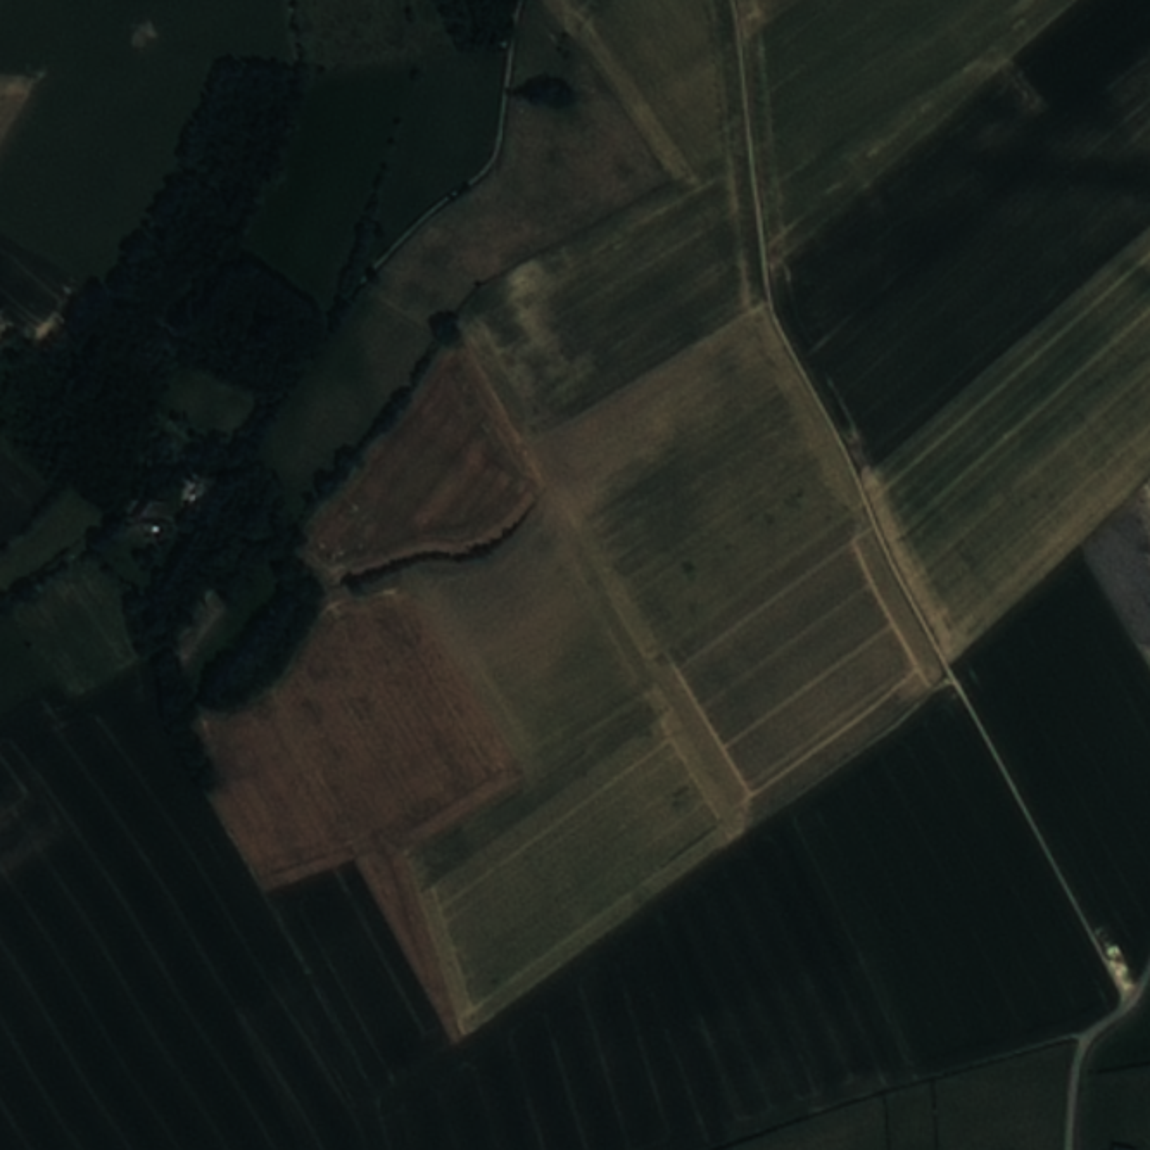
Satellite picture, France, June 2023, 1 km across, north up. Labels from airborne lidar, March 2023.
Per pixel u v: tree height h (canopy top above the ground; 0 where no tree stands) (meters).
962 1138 0
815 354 0
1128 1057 0
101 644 0
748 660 0
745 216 0
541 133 0
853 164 0
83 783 0
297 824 0
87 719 0
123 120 0
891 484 0
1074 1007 0
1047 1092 0
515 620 0
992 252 0
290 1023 0
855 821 0
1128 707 0
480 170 0
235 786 0
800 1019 0
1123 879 0
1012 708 0
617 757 0
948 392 0
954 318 0
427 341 0
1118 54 0
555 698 0
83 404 12
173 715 19
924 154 0
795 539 0
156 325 20
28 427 8
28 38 0
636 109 0
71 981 0
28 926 0
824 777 0
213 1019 0
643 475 0
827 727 0
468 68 0
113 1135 0
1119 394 0
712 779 0
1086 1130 0
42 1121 0
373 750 0
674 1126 0
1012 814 0
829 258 0
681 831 0
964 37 0
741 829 0
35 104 0
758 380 0
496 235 0
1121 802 0
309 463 0
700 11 0
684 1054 0
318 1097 0
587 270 0
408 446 0
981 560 0
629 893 0
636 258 0
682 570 0
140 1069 0
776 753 0
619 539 0
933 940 0
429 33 0
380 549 0
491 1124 0
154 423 6
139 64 0
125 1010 0
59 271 0
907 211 0
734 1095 0
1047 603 0
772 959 0
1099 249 0
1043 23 0
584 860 0
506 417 0
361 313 0
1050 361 0
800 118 0
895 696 0
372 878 0
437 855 0
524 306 0
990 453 0
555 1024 0
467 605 0
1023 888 0
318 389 0
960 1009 0
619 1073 0
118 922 0
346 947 0
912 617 0
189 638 0
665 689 0
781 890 0
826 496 0
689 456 0
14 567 0
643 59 0
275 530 21
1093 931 0
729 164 0
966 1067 0
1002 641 0
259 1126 0
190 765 12
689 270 0
